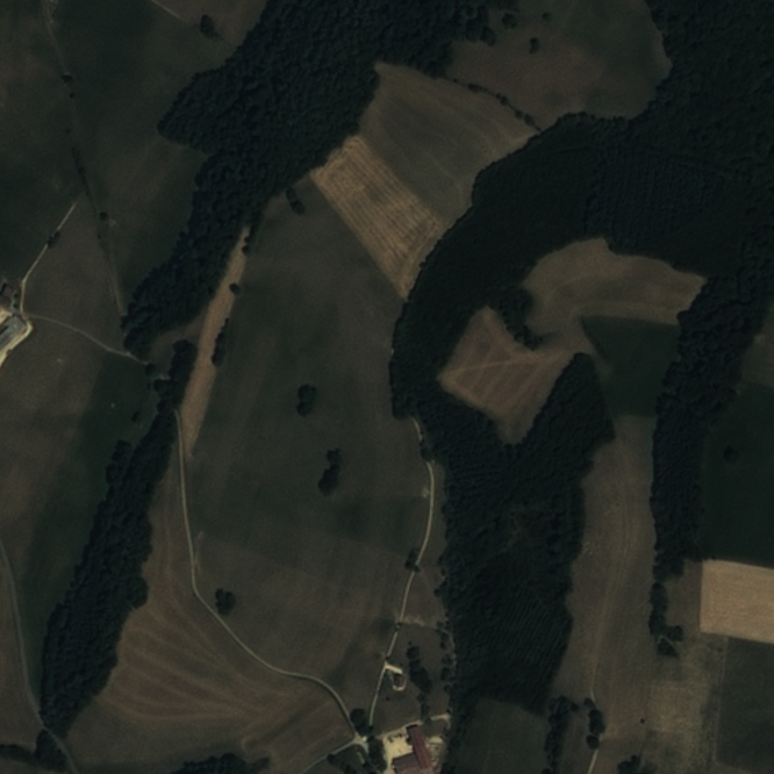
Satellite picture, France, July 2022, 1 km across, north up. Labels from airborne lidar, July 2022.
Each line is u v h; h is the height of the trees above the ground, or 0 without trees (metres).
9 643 0
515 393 0
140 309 14
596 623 0
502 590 6
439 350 12
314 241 0
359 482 0
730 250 16
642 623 0
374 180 0
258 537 0
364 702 0
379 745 7
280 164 12
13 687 0
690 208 14
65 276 0
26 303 0
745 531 0
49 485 0
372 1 24
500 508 14
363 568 0
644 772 0
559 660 10
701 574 0
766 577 0
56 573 0
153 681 0
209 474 0
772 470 0
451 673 13
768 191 27
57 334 0
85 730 0
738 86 18
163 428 17
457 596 21
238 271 0
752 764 0
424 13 26
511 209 12
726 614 0
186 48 0
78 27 0
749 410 0
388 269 0
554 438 18
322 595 0
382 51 21
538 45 11
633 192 16
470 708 27
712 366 31
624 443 0
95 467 0
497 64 0
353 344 0
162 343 0
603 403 16
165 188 0
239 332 0
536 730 0
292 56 22
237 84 31
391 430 0
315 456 0
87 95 0
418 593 0
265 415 0
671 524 20
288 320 0
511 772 0
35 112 0
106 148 0
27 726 0
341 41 14
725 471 0
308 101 8
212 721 0
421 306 12
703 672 0
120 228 0
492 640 6
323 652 0
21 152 0
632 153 14
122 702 0
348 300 0
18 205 0
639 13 0
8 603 0
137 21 0
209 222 30
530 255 12
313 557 0
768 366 0
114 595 21
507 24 13
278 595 0
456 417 16
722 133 19
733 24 20
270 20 18
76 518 0
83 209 0
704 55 20
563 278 0
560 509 22
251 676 0
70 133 10
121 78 0
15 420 0
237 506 0
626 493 0
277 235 0
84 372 0
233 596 12
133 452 16
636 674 0
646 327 0
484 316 0
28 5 0
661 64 0
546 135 10
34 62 0
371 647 0
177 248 0
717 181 15
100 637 22
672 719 0
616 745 0
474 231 11
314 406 8
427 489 0
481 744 0
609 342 0
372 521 0
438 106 0
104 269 0
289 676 0
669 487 24
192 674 0
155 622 0
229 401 0
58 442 0
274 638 0
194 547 0
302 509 0
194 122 14
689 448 28
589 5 0
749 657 0
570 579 18
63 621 18
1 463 0
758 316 29
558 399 14
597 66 0
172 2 0
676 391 8
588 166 10
